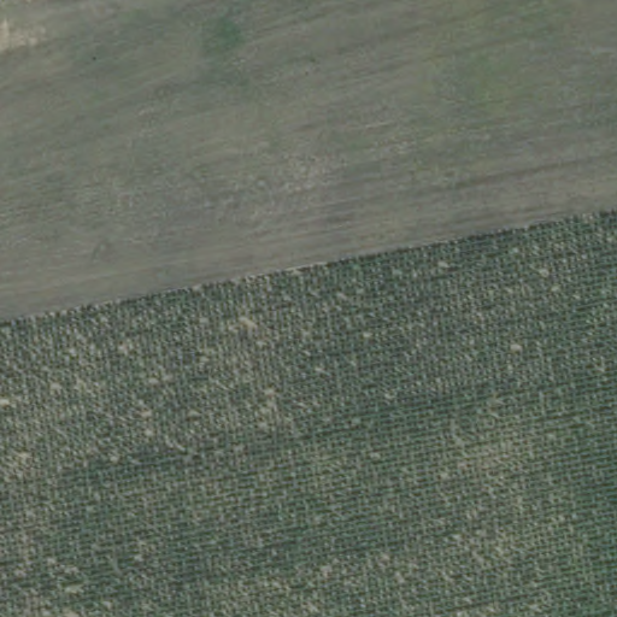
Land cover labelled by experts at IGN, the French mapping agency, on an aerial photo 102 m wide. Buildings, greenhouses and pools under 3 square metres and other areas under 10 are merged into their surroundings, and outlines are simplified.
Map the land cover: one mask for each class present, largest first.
<instances>
[{"label":"vineyard","instance_id":"1","mask_svg":"<svg viewBox=\"0 0 617 617\"><path fill-rule=\"evenodd\" d=\"M0 617H617V210H605L593 222H583L581 217H564L559 222L530 224L528 229L487 231L465 239H453L448 243L395 248L386 253L333 260L328 265L301 268V272L296 275H260L246 284L217 282L205 284L198 292H152L145 296L123 299L121 304H108L101 309L84 306L82 311H70L63 316L58 313L51 318L0 321Z\"/></svg>","mask_w":617,"mask_h":617},{"label":"agricultural land","instance_id":"2","mask_svg":"<svg viewBox=\"0 0 617 617\"><path fill-rule=\"evenodd\" d=\"M605 210H617V0H0V321L51 318L58 313L63 316L70 311H82L84 306L101 309L108 304H121L123 299L145 296L152 292H198L205 284L217 282L246 284L260 275H296L301 272V268L328 265L333 260L386 253L395 248L448 243L453 239H465L487 231L528 229L530 224L559 222L564 217H581L583 222H593Z\"/></svg>","mask_w":617,"mask_h":617}]
</instances>
